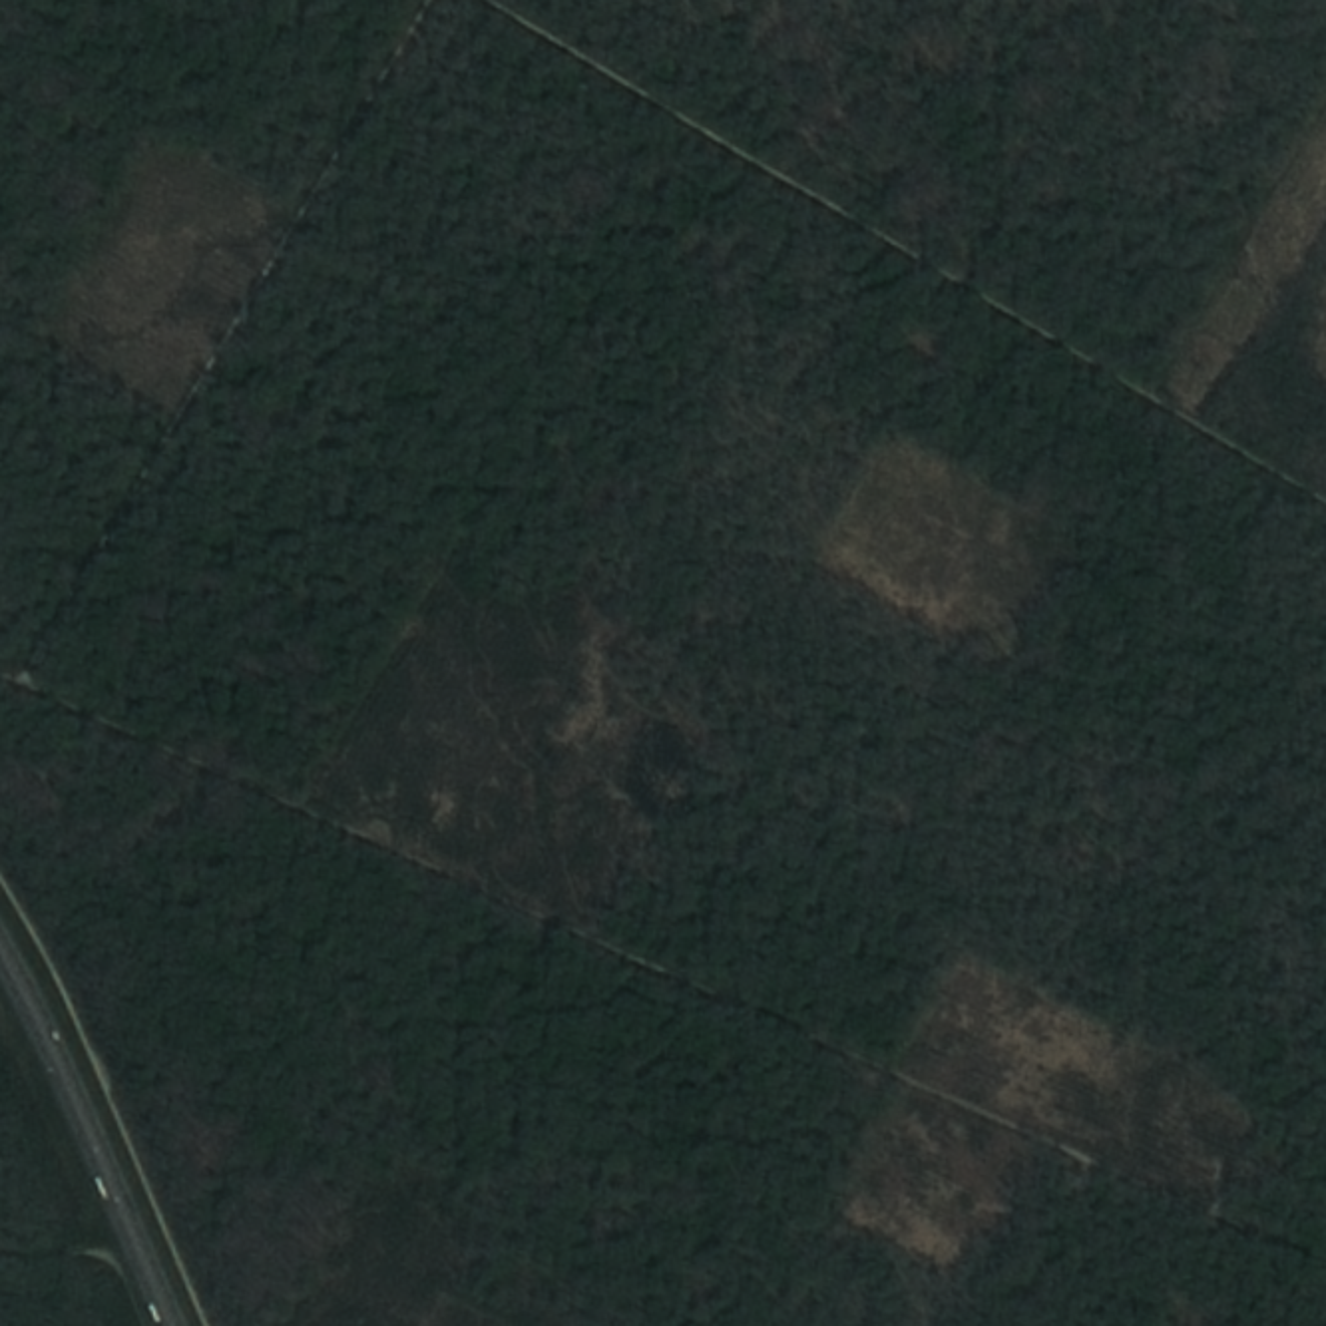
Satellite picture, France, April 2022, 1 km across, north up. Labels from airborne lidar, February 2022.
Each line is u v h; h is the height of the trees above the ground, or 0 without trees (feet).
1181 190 83
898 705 74
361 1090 89
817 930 73
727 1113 92
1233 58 75
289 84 74
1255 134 73
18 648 67
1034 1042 0
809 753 70
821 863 83
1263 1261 81
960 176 72
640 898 83
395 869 69
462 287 77
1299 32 89
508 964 89
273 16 85
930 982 81
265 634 75
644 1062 62
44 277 79
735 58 75
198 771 72
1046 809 73
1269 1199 80
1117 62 86
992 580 0
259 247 0
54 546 83
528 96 67
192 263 0
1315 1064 66
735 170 86
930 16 79
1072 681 81
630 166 77
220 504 79
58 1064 0
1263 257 0
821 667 66
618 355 73
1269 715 78
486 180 61
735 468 70
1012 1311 74
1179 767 64
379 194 84
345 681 66
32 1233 82
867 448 60
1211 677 60
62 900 88
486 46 91
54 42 83
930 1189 0
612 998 56
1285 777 88
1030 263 89
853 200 84
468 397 92
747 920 89
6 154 75
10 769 87
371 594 71
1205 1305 81
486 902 84
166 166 0
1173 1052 84
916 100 92
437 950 70
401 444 91
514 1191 93
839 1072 90
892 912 77
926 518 0
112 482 78
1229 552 79
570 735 0
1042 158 82
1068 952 53
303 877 84
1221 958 70
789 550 78
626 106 69
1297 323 64
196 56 73
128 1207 0
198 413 61
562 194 85
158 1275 0
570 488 90
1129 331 82
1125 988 70
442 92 64
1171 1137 0
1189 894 76
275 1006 82
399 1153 87
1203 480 85
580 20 63
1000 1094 0
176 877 76
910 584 0
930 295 74
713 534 63
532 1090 96
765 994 87
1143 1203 85
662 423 84
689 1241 77
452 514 90
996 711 70
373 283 41
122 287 0
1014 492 89
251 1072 86
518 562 94
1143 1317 84
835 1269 54
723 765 81
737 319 76
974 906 56
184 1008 72
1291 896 79
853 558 0
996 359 58
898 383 77
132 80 67
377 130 96
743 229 79
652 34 89
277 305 56
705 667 81
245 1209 83
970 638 0
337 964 78
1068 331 91
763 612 66
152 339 0
